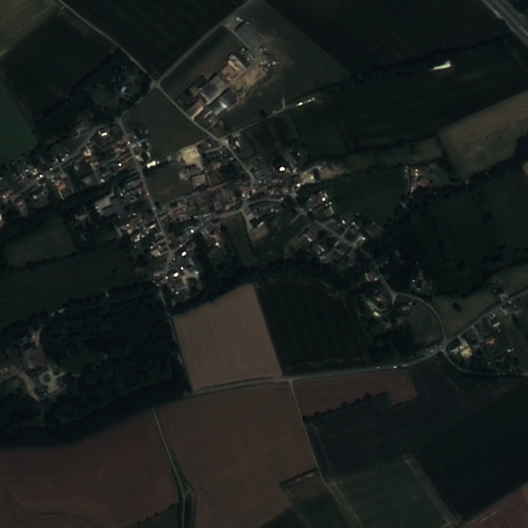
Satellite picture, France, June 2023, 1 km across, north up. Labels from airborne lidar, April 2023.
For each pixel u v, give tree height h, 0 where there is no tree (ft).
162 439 0
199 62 0
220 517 0
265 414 0
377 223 0
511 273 0
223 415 0
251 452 0
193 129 0
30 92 0
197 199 0
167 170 0
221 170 28
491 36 0
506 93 0
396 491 0
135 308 89
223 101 0
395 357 0
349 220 0
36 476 0
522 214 0
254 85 0
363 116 0
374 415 0
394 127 0
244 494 0
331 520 0
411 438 0
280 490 0
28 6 0
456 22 0
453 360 29
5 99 0
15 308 0
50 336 80
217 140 0
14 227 59
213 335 0
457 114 0
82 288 0
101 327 89
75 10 0
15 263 0
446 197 46
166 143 0
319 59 0
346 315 0
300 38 0
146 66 0
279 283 0
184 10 0
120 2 0
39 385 0
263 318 0
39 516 0
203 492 0
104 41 0
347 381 0
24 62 0
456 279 0
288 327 0
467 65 0
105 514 0
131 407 95
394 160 0
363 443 0
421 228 0
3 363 0
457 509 0
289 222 0
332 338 0
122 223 0
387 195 0
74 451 0
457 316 0
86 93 32
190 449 0
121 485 0
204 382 0
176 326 0
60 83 0
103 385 102
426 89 0
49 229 0
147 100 0
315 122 0
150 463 0
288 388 0
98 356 0
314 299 0
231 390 0
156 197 0
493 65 0
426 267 97
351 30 0
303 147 36
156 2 0
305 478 0
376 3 0
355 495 0
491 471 0
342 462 0
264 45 0
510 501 0
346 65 0
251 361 0
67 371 0
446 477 0
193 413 0
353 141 0
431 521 0
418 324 0
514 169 78
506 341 0
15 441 91
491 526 0
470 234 0
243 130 0
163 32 0
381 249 82
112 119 40
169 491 0
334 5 0
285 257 0
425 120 0
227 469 0
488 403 0
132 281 0
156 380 0
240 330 0
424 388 0
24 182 0
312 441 0
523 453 0
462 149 0
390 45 0
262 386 0
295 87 0
